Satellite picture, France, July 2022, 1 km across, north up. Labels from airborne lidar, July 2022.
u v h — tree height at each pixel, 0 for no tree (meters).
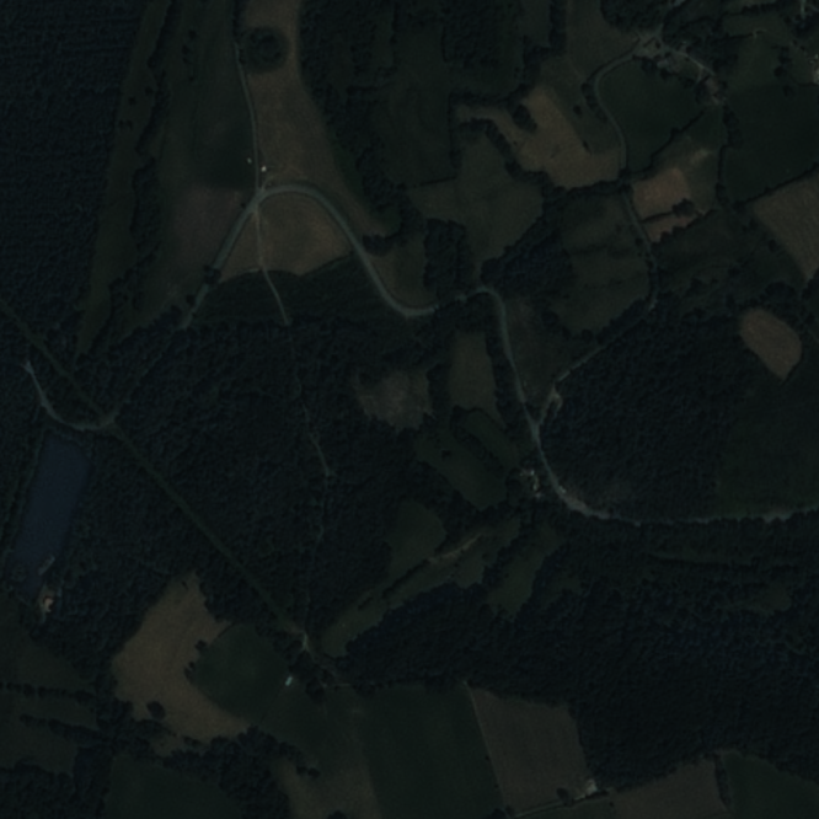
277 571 10
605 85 0
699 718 21
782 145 0
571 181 0
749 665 28
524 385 0
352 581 17
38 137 19
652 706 25
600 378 15
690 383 23
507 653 22
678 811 0
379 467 20
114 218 0
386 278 0
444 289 19
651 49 0
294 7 0
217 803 0
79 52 25
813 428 0
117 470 18
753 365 18
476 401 0
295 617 10
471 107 15
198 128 0
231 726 0
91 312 0
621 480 13
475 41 11
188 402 10
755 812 0
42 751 0
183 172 0
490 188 0
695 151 0
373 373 19
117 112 19
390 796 0
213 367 16
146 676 0
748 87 0
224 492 21
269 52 15
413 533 0
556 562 18
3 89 19
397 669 19
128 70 10
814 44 0
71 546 18
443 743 0
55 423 16
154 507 24
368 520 18
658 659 29
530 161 0
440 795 0
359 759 0
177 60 0
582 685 24
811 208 0
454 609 24
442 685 19
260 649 0
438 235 15
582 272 0
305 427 18
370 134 12
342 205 0
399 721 0
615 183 7
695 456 19
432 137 0
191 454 15
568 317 0
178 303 0
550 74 0
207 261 0
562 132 0
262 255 0
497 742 0
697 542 18
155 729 9
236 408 12
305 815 0
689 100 0
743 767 0
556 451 19
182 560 21
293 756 12
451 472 0
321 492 11
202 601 0
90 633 16
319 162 0
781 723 25
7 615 0
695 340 18
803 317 10
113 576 19
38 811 10
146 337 17
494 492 0
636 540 17
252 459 20
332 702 0
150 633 0
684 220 0
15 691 8
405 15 16
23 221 19
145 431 22
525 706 0
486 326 9
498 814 15
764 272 0
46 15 21
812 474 0
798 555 21
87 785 23
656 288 13
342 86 0
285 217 0
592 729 19
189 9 0
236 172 0
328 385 18
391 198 13
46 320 22
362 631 0
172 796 0
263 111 0
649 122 0
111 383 8
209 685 0
